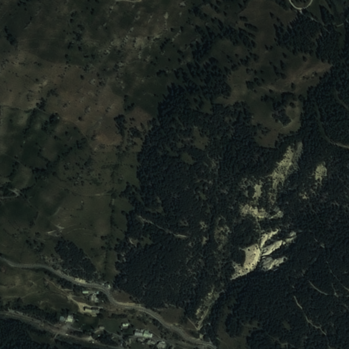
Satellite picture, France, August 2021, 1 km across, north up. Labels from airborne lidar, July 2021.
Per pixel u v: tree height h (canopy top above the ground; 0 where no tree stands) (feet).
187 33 0
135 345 0
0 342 55
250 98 0
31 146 0
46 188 0
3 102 0
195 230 41
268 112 0
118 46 0
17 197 22
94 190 0
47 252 0
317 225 56
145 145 57
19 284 0
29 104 0
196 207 51
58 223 0
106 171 0
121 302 0
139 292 36
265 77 0
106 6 0
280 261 0
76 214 0
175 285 48
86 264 33
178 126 51
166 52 0
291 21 0
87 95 0
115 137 0
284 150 41
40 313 43
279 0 69
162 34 0
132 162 0
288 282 44
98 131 0
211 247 51
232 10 0
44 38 0
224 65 0
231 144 73
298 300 28
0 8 0
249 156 57
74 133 0
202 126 52
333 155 52
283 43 63
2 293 0
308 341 47
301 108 0
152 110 0
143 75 0
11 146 0
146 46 0
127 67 0
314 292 42
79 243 0
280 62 0
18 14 0
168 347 0
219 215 22
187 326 0
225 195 39
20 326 70
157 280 47
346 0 0
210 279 42
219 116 41
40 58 0
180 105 80
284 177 0
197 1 0
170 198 56
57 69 0
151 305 32
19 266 0
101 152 0
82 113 0
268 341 56
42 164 0
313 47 78
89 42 0
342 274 32
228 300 70
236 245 41
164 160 50
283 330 37
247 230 33
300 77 0
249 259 0
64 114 0
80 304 0
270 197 22
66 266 33
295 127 0
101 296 32
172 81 0
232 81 0
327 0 76
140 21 0
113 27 0
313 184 36
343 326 44
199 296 37
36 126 0
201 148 0
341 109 72
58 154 0
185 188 28
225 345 0
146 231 46
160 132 68
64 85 0
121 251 49
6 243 0
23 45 0
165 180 54
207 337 43
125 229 0
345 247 58
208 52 81
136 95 0
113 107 0
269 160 53
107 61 0
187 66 0
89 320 0
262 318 54
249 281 51
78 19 0
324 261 52
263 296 56
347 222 45
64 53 0
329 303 46
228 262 26
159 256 53
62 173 0
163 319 0
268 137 0
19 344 38
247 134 54
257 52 0
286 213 34
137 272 50
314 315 40
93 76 0
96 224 0
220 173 66
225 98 23
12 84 0
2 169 0
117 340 0
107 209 0
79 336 23
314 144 65
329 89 87
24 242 0
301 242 50
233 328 68
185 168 54
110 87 0
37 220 0
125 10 0
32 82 0
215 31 0
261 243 0
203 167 50
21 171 0
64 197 0
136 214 46
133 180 0
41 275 0
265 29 0
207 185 51
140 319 24
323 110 73
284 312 38
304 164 49
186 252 34
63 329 0
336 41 74
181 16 0
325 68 0
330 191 55
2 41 0
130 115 0
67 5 0
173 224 55
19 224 0
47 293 0
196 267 28
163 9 0
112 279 0
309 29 79
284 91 0
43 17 0
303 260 53
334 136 65
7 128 0
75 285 23
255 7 0
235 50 0
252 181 22
